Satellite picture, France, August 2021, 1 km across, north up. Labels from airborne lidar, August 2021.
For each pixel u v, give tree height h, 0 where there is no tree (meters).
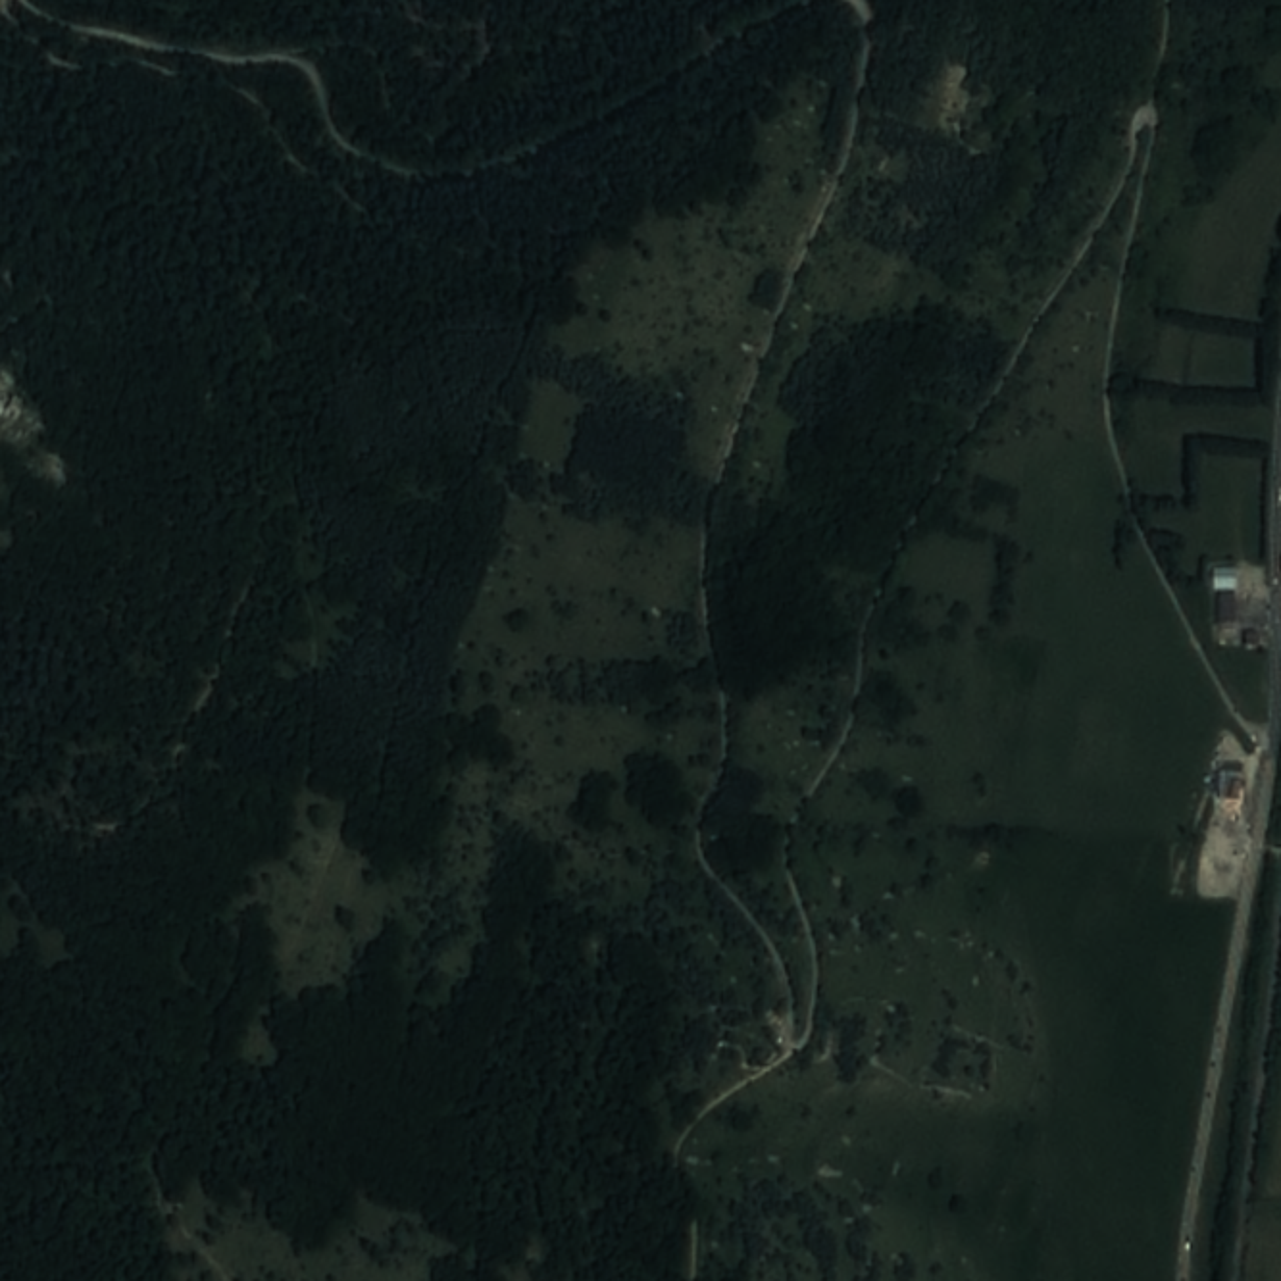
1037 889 0
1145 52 11
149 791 18
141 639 18
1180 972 0
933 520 8
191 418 14
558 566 0
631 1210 19
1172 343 0
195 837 15
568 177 20
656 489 13
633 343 0
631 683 18
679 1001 7
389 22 11
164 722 14
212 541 17
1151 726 0
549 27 20
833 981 0
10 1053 17
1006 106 11
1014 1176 0
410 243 12
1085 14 18
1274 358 17
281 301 15
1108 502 0
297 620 16
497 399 12
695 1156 0
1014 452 0
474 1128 19
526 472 15
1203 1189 0
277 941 8
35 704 21
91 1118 20
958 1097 0
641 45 19
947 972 0
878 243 13
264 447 16
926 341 24
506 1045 16
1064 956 0
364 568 10
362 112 9
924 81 15
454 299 12
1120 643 0
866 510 18
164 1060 19
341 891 0
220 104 9
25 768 11
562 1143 23
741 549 10
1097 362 0
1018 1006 0
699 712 5
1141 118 0
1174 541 20
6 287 9
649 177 10
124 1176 14
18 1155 20
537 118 17
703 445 0
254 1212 6
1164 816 0
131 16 12
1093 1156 0
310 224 8
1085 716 0
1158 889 0
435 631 18
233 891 15
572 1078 18
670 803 21
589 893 8
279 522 14
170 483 16
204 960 18
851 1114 8
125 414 13
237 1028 16
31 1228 16
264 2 12
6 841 16
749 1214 7
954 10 18
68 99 17
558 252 8
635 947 16
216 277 18
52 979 17
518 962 15
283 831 15
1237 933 0
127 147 12
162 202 12
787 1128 0
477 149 24
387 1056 17
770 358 6
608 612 0
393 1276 0
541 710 0
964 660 0
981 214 16
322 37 12
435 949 16
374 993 19
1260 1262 0
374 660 8
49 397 10
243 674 12
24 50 8
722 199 13
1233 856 0
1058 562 0
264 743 18
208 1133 18
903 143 11
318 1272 0
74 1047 19
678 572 0
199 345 18
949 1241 0
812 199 0
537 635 0
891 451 8
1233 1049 0
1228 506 0
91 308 17
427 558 10
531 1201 19
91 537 13
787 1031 0
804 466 17
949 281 17
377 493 16
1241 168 0
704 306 0
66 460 7
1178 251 0
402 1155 19
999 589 6
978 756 0
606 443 15
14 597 15
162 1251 9
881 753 0
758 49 8
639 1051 17
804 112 0
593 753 0
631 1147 19
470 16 21
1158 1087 0
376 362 9
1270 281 9
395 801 17
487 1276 12
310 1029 21
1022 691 0
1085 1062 0
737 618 17
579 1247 14
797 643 24
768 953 8
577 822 11
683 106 13
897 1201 0
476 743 14
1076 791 0
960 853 0
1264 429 0
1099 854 0
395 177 16
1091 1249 0
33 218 19
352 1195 16
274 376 9
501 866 11
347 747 15
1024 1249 0
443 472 12
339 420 15
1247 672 0
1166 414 0
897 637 6
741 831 17
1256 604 0
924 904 0
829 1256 10
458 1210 22
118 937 17
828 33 16
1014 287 8
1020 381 6
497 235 10
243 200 10
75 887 16
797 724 0
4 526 10
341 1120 19
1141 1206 0
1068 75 25
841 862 0
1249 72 6
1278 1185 0
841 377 14
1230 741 0
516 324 11
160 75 8
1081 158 18
